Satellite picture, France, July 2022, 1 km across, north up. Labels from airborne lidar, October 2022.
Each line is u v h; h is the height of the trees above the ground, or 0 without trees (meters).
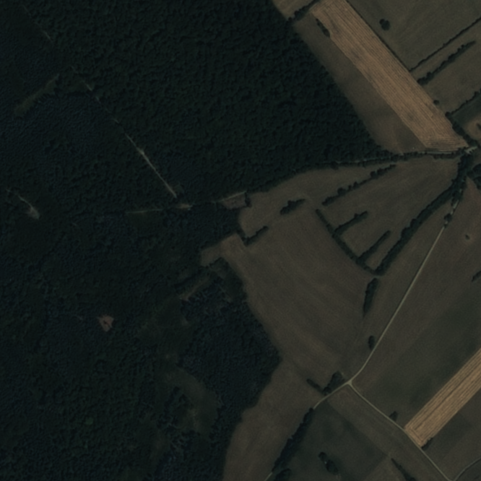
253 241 11
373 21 0
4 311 26
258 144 18
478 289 0
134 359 6
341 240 7
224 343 19
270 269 0
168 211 7
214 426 0
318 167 14
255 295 0
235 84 17
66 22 21
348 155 19
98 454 20
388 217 0
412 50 0
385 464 0
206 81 18
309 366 0
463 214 0
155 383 12
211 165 17
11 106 22
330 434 0
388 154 15
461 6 0
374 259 0
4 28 22
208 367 21
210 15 21
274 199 0
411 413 0
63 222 12
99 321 26
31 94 24
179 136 22
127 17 20
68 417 17
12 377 19
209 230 18
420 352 0
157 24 22
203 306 23
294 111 26
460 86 0
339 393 0
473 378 0
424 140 0
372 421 0
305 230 0
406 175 0
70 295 30
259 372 22
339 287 0
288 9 0
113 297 13
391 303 0
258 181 18
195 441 24
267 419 0
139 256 15
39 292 7
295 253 0
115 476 23
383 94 0
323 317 0
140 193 21
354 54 0
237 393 21
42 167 26
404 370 0
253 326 23
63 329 26
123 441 14
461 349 0
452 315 0
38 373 7
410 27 0
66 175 23
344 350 0
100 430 18
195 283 15
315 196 0
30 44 21
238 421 20
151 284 15
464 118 0
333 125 23
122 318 14
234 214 12
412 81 0
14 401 16
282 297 0
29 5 22
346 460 0
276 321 0
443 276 0
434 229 0
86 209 10
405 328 0
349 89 0
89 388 8
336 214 0
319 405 0
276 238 0
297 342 0
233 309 23
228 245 0
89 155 24
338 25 0
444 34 0
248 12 22
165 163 17
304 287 0
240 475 0
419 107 0
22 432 29
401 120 0
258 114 19
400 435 0
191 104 17
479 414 0
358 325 0
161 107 21
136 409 12
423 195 0
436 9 0
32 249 14
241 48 24
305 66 24
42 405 24
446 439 0
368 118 0
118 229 28
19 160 17
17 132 25
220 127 10
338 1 0
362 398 0
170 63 16
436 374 0
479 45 0
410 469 0
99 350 19
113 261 18
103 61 23
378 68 0
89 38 20
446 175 0
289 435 0
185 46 20
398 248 7
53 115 26
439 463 0
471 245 0
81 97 28
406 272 0
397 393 0
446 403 0
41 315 7
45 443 24
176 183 19
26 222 11
